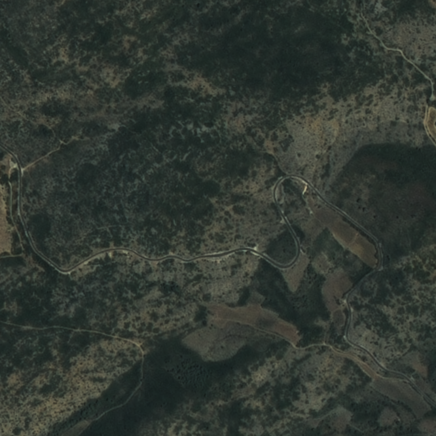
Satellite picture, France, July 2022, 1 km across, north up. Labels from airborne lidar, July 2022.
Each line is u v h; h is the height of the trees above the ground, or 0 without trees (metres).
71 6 0
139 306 0
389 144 0
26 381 0
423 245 0
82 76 0
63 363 0
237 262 0
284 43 0
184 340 0
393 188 0
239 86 0
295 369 0
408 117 0
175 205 0
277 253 0
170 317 0
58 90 0
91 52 0
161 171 0
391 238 0
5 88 0
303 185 0
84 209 0
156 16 0
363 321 0
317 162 0
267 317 0
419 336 0
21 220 0
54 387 0
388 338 0
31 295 0
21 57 0
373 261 0
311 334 6
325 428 0
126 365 0
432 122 0
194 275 0
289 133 0
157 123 0
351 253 0
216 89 0
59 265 0
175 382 0
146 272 0
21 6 0
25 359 0
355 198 0
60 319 0
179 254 0
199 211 0
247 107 0
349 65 0
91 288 0
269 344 0
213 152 0
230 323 0
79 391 0
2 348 0
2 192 0
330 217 0
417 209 0
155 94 0
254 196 0
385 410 0
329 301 0
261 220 0
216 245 0
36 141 0
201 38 0
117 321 0
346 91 0
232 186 0
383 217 0
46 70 0
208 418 0
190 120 0
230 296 0
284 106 0
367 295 0
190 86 0
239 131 0
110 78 0
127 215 0
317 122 0
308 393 0
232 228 0
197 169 0
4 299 0
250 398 0
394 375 0
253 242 0
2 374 0
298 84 0
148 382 0
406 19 0
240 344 0
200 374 11
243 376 0
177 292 11
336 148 0
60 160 0
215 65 0
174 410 0
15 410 0
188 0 0
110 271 0
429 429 0
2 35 0
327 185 0
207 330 0
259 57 0
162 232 0
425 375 0
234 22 0
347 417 0
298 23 0
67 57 0
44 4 0
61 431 11
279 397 0
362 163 0
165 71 0
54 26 0
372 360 0
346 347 0
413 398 0
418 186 0
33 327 0
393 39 0
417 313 0
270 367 0
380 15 0
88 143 0
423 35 0
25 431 0
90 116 0
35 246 0
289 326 0
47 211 0
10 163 0
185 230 0
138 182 0
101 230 0
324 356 0
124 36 0
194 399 0
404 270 0
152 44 0
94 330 0
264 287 0
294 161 0
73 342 0
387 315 0
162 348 0
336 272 0
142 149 0
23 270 0
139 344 0
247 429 0
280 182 0
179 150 0
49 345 0
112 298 0
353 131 0
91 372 0
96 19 0
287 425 0
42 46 0
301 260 0
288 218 0
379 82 0
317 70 0
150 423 0
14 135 0
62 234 0
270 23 0
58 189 0
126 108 0
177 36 0
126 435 0
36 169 0
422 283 0
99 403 12
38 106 0
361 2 9
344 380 0
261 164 0
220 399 0
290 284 0
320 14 0
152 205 0
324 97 0
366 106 0
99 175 0
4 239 0
